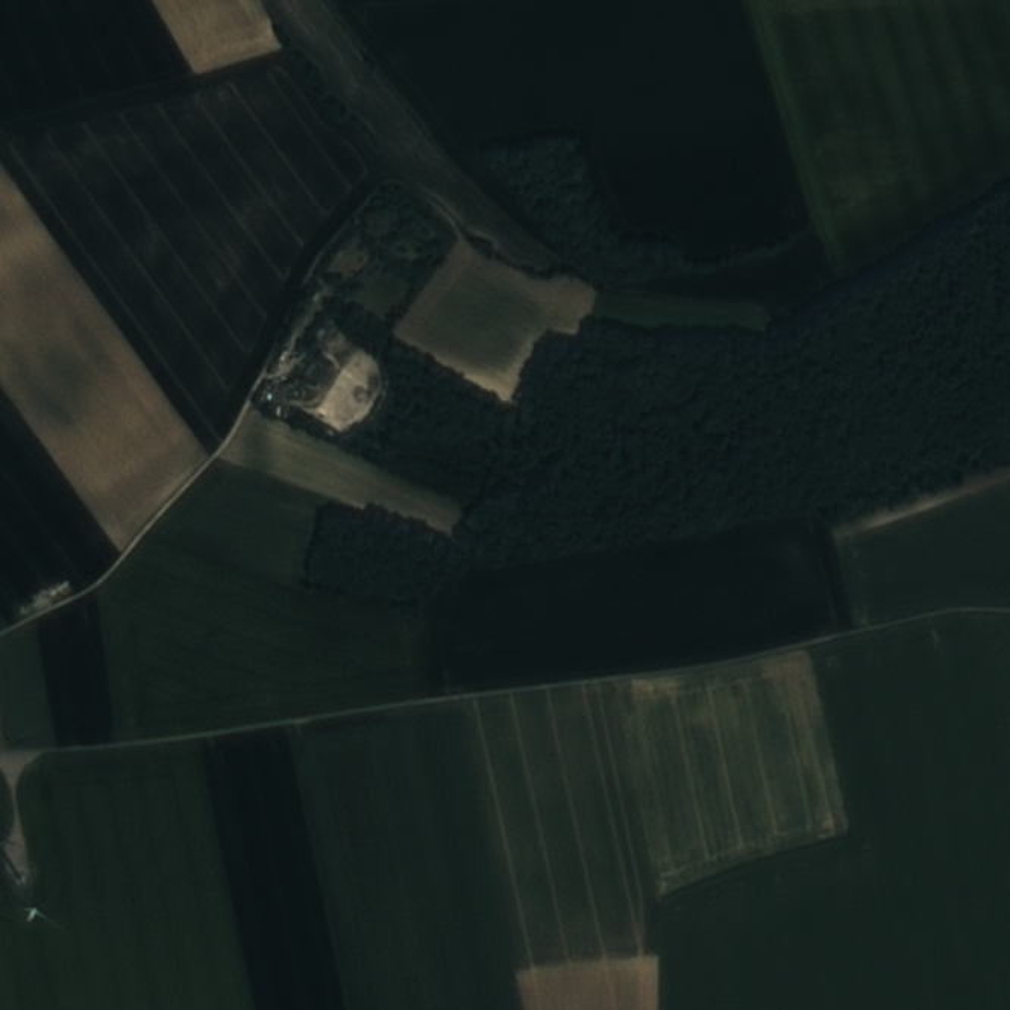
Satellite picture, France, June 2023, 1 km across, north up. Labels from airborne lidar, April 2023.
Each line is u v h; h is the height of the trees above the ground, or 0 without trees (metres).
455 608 0
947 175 0
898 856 0
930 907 0
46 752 0
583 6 0
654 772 0
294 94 0
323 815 0
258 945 0
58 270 0
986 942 0
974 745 0
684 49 0
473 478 10
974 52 0
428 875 0
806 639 0
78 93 0
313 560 13
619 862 0
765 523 0
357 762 0
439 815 0
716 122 0
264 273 0
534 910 0
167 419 0
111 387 0
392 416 14
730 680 0
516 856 0
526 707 0
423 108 0
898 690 0
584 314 0
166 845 0
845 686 0
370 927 0
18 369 0
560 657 0
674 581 0
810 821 0
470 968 0
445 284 0
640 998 0
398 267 6
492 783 0
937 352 13
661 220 0
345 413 0
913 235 0
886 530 0
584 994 0
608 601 0
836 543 0
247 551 0
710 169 0
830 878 0
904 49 0
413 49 0
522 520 29
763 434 26
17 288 0
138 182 0
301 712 0
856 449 17
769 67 0
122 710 0
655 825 0
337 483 0
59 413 0
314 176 0
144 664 0
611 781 0
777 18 0
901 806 0
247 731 0
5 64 0
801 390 28
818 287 0
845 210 0
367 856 0
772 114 0
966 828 0
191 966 0
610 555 0
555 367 27
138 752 0
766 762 0
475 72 0
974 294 26
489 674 0
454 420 28
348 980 0
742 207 0
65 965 0
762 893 0
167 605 0
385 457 9
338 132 0
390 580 16
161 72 0
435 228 11
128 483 0
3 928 0
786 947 0
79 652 0
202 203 0
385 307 0
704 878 0
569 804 0
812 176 0
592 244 20
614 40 0
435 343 0
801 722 0
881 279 22
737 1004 0
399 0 0
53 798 0
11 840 0
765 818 0
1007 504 0
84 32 0
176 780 0
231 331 0
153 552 0
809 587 0
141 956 0
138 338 0
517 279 0
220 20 0
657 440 26
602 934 0
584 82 0
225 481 0
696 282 0
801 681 0
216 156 0
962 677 0
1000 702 0
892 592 0
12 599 0
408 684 0
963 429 20
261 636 0
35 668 0
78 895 0
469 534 22
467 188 0
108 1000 0
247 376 0
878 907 0
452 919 0
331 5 0
